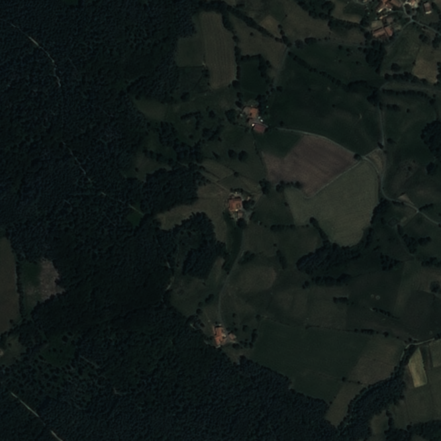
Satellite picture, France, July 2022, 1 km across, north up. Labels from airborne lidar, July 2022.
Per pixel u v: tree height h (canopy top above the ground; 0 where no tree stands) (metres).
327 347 0
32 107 22
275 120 0
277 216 0
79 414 31
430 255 0
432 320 0
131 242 16
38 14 28
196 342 22
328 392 0
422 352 0
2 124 25
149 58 25
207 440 21
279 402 24
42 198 24
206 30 0
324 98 0
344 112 0
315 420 19
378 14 7
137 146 18
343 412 0
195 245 0
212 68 0
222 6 30
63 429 31
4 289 0
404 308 0
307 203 0
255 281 0
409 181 0
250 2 0
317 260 26
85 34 21
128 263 22
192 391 22
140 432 18
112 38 22
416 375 0
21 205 32
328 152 0
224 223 0
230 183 0
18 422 16
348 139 0
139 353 24
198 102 0
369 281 0
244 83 0
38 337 11
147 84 21
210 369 25
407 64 0
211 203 0
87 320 18
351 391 0
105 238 22
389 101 0
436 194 0
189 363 21
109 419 13
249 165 0
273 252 0
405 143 0
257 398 22
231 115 19
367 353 0
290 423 21
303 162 0
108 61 17
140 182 13
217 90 0
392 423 14
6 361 0
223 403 29
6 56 27
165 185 13
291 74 0
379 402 15
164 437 21
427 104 0
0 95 32
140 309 20
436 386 0
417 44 0
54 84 17
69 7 16
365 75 0
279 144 0
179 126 0
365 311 0
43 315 18
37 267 0
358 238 0
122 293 24
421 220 0
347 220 0
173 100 17
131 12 18
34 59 27
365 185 0
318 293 0
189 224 12
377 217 11
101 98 21
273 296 0
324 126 0
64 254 26
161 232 20
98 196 20
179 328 20
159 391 23
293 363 0
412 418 0
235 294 0
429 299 0
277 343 0
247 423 26
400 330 0
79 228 20
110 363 20
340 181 0
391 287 0
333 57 0
